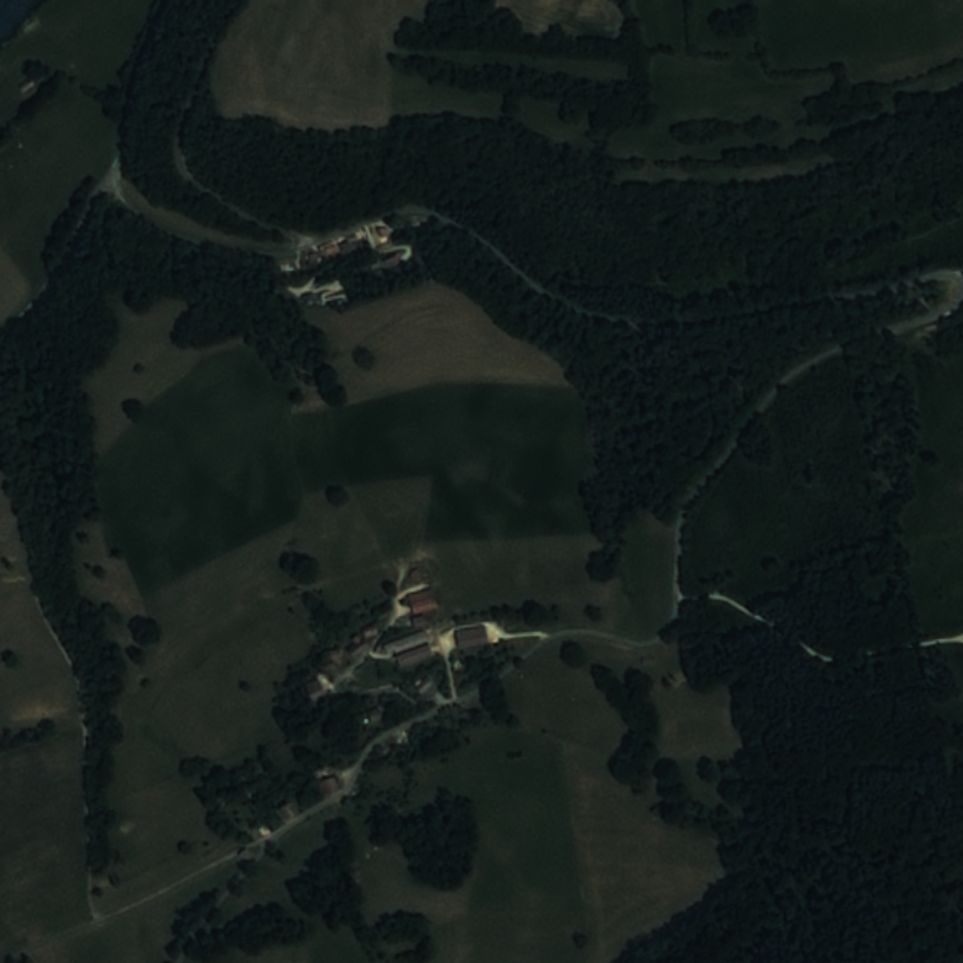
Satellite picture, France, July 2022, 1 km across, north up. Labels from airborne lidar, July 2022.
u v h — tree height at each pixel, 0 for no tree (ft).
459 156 66
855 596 83
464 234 56
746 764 72
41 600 37
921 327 0
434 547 0
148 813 0
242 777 31
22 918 0
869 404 64
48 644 0
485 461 0
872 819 47
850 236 56
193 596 0
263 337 57
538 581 0
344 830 69
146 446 0
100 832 53
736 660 78
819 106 41
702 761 0
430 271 52
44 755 0
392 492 0
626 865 0
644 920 0
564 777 0
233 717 0
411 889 0
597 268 62
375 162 57
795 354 55
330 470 0
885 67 0
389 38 0
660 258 53
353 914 52
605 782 0
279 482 0
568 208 30
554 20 0
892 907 83
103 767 46
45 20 0
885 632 48
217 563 0
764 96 0
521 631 0
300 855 0
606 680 63
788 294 65
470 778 0
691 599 27
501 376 0
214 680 0
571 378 50
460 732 20
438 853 53
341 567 0
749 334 68
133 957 0
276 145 52
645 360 81
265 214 45
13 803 0
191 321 65
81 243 58
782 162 38
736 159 53
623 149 0
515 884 0
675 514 61
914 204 87
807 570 55
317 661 21
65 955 0
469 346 0
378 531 0
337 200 70
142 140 65
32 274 0
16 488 34
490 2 69
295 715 43
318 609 51
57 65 0
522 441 0
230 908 0
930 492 0
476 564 0
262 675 0
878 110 43
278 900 0
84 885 0
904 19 0
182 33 38
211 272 57
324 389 62
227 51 0
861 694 85
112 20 0
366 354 55
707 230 67
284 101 0
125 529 0
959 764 25
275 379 24
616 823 0
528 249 62
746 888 61
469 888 0
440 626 0
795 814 68
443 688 20
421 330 0
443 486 0
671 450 82
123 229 51
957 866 65
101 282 66
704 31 0
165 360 0
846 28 0
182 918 51
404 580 0
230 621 0
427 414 0
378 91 0
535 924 0
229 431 0
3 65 0
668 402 75
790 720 76
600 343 73
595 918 0
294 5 0
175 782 0
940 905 75
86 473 52
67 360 48
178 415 0
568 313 59
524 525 0
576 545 0
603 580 58
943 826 54
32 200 0
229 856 0
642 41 45
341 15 0
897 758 39
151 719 0
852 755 52
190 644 0
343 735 25
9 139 34
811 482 66
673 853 0
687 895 0
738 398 71
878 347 60
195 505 0
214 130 26
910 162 55
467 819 66
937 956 92
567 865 0
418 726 21
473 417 0
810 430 18
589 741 0
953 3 0
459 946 0
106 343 67
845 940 103
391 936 59
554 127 0
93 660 53
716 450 68
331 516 0
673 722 0
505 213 61
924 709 65
